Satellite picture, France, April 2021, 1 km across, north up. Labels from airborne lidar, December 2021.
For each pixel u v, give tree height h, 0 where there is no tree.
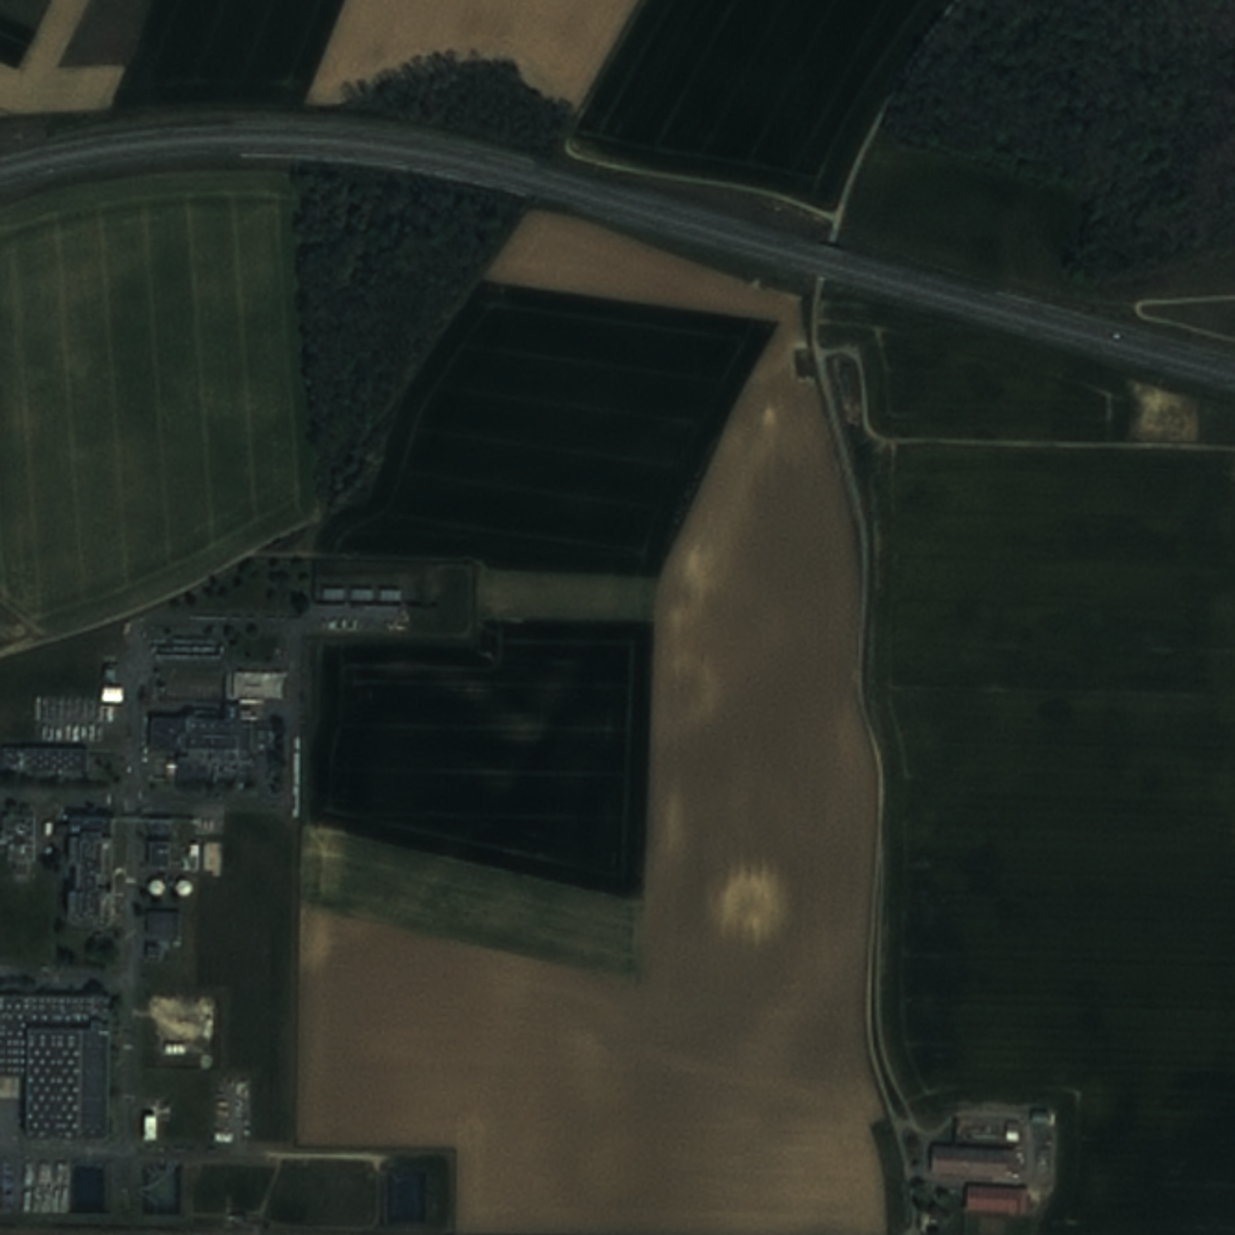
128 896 0
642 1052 0
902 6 0
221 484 0
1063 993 0
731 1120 0
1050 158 22
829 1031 0
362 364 18
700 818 0
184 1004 0
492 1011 0
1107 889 0
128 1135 0
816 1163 0
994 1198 0
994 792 0
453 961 0
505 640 0
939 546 0
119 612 0
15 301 0
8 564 0
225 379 0
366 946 0
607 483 0
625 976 0
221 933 0
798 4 0
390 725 0
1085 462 0
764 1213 0
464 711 0
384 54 0
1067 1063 0
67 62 0
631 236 0
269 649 0
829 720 0
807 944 0
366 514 0
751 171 0
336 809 0
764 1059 0
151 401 0
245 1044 0
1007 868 0
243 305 0
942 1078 0
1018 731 0
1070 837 0
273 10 0
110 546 0
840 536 0
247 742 0
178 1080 0
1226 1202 0
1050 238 0
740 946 0
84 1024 0
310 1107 0
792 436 0
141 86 0
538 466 0
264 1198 0
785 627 0
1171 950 0
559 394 0
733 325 0
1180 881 0
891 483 0
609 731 0
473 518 0
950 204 0
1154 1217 0
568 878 0
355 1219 0
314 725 0
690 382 0
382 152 0
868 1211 0
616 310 0
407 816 0
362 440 16
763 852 0
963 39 14
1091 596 0
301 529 0
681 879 0
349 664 0
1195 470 0
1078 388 0
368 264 10
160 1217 0
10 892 0
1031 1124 0
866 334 0
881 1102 0
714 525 0
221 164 0
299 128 0
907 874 0
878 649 0
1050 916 0
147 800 0
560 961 0
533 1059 0
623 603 0
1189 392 0
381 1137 0
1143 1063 0
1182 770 0
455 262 23
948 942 0
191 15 0
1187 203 15
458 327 0
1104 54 20
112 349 0
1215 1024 0
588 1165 0
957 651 0
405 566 0
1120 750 0
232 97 0
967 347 0
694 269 0
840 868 0
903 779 0
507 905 0
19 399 0
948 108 16
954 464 0
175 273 0
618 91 0
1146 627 0
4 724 0
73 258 0
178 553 0
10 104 0
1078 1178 0
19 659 0
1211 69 17
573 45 0
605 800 0
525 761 0
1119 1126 0
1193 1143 0
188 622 0
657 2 0
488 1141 0
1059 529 0
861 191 0
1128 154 26
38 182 0
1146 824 0
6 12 0
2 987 9
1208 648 0
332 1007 0
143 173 0
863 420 0
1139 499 0
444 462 0
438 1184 0
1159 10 24
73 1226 0
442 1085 0
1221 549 0
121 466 0
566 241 0
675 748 0
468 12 0
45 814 0
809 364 0
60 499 0
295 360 0
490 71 18
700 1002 0
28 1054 0
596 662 0
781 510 0
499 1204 0
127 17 0
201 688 0
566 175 0
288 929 0
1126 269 15
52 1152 0
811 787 0
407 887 0
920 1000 0
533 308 0
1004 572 0
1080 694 0
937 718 0
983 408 0
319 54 0
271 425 0
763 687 0
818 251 0
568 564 0
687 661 0
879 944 0
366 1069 0
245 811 0
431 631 0
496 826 0
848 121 0
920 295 0
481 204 13
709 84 0
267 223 0
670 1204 0
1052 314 0
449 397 0
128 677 0
